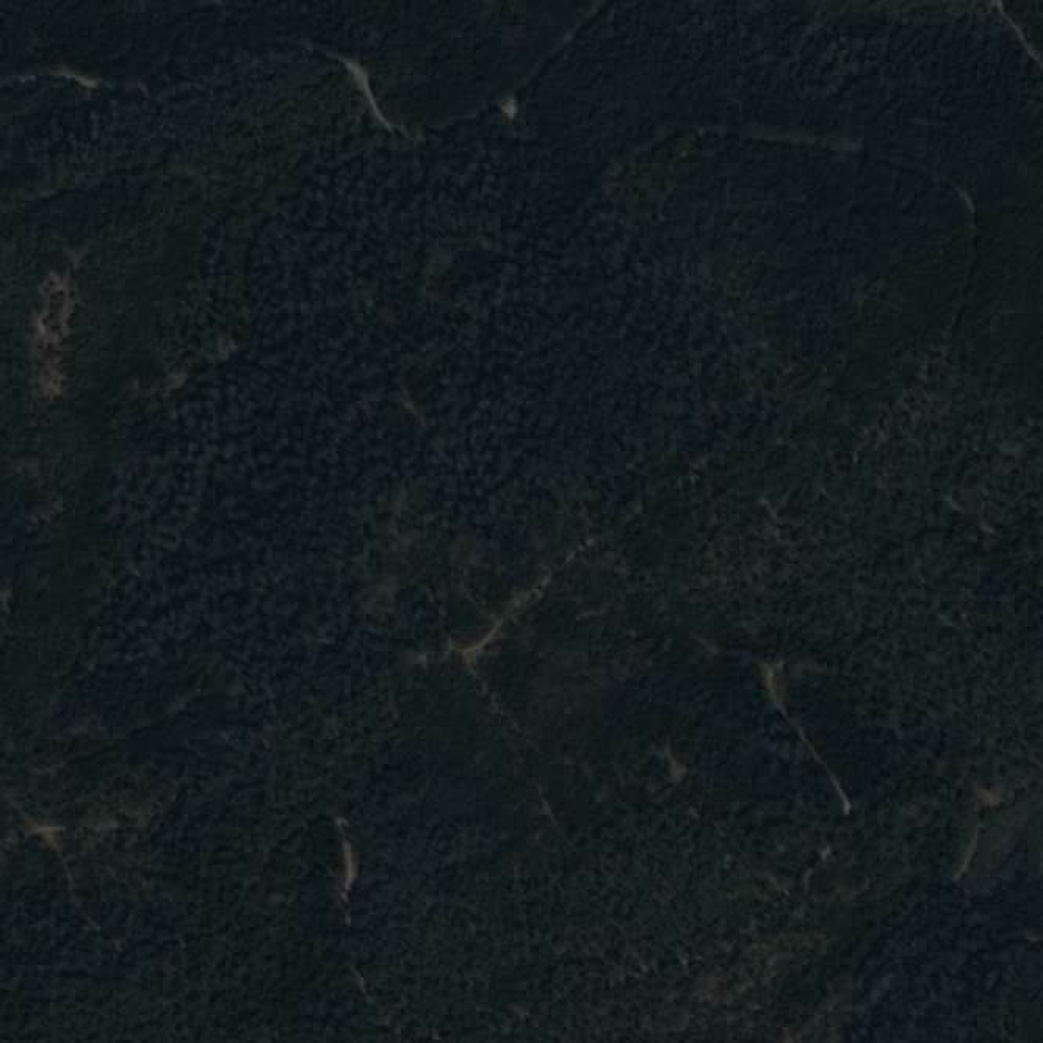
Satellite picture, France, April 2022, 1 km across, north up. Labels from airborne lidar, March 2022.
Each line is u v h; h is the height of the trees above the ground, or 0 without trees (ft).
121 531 26
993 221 54
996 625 104
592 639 29
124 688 69
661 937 83
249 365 73
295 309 96
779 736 107
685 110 54
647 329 77
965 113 58
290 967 71
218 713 31
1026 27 45
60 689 86
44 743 61
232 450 82
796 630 59
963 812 32
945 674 71
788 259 23
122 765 22
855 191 56
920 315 49
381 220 116
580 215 64
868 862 44
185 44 55
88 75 58
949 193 39
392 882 85
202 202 34
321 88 84
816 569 42
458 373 68
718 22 80
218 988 52
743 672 60
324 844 86
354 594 23
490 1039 78
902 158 66
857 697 118
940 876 35
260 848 93
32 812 18
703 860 70
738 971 80
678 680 52
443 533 82
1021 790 116
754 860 25
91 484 31
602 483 68
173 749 23
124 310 30
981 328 69
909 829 24
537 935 89
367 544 38
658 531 84
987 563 103
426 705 24
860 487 87
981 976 31
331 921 105
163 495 130
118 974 36
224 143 81
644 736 41
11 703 80
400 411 47
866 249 65
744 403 39
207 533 67
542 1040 91
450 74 72
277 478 68
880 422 30
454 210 97
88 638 69
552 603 32
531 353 97
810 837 68
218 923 80
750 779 30
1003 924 68
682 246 21
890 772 100
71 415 30
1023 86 59
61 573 41
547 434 100
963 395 53
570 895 91
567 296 99
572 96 57
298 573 82
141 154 95
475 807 33
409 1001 41
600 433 80
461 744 25
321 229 118
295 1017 95
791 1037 24
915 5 48
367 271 92
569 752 28
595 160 53
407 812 22
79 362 40
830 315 37
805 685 67
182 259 32
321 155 94
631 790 27
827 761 64
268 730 67
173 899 84
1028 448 68
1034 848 49
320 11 69
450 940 78
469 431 88
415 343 63
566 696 40
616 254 75
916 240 63
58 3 56
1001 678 59
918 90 42
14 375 39
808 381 50
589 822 23
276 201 114
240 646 64
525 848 29
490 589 30
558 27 66
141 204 24
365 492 54
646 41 85
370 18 75
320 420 38
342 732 68
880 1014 31
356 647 91
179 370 42
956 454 33
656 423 78
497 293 107
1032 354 65
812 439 57
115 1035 56
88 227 40
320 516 76
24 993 67
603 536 61
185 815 33
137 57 51
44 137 29
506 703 37
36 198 93
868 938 32
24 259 30
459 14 42
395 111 65
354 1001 45
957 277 54
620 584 22
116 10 66
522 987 72
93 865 36
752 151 33
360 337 80
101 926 48
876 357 27
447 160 52
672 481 53
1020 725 107
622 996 24
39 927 85
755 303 33
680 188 24
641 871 67
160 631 112
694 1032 25
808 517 70
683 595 74
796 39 68
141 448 49
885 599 84
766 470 60
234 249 107
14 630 63
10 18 51
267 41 49
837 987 42
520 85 62
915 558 80
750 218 24
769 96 71
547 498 25
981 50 52
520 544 44
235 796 27
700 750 33
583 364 89
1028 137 60
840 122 60
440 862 80
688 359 78
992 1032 71
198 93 94
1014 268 60
